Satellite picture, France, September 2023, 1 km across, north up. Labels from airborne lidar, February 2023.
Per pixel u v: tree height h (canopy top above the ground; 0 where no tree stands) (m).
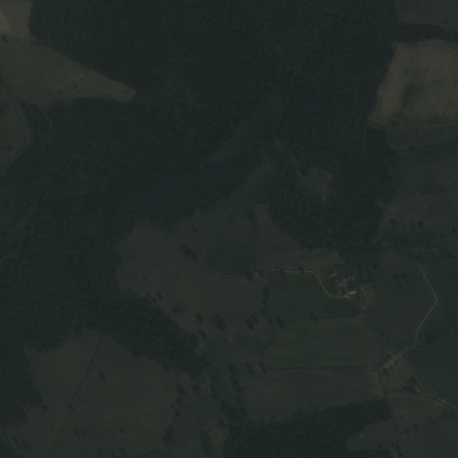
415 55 0
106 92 0
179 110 14
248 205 0
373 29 23
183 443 0
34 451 0
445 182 0
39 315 18
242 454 6
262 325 0
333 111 10
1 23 0
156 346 18
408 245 14
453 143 0
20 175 14
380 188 6
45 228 25
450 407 0
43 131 14
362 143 16
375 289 0
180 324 0
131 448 0
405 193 0
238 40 14
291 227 16
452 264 0
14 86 0
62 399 0
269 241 0
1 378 18
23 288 21
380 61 19
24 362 23
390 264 0
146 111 18
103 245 16
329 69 6
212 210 0
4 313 18
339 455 7
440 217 0
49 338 17
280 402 0
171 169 15
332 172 14
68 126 15
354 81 14
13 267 11
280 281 0
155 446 0
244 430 20
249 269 0
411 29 13
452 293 0
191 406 0
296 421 17
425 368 0
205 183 22
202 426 0
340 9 20
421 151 0
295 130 20
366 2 19
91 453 0
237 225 0
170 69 14
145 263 0
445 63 0
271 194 16
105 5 20
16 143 0
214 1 14
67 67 0
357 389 0
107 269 16
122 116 11
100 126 13
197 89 14
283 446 7
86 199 13
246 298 0
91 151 19
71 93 0
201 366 10
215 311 0
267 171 0
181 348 17
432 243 0
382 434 0
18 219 14
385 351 0
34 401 21
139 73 18
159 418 0
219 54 17
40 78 0
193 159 19
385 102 0
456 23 0
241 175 19
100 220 12
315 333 0
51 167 10
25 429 0
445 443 0
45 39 11
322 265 0
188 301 0
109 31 11
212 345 0
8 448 0
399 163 0
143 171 23
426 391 0
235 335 0
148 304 20
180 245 0
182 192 19
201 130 19
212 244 0
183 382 0
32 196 13
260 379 0
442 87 0
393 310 0
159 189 17
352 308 0
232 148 0
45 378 0
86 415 0
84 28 13
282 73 23
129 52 18
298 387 0
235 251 0
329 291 0
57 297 18
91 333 0
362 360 0
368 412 8
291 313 0
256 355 0
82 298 16
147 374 0
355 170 16
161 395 0
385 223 0
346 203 9
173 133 20
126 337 19
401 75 0
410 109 0
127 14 20
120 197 18
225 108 12
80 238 10
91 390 0
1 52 0
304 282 0
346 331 0
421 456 0
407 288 0
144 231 0
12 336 24
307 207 19
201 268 0
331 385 0
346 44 22
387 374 6
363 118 11
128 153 17
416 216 0
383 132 16
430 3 0
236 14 25
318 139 20
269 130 0
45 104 0
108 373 0
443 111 0
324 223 23
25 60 0
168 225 14
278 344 0
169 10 24
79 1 14
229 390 0
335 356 0
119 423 0
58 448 0
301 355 0
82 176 15
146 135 22
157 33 22
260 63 12
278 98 0
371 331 0
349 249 14
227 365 0
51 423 0
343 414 9
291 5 18
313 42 19
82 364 0
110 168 19
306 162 16
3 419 18
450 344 0
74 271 14
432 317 0
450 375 0
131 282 0
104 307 22
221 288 0
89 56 19
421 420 0
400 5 0
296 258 0
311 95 10
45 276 16
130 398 0
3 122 0
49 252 15
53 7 15
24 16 0
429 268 0
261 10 19
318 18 12
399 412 0
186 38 16
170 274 0
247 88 13
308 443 6
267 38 17
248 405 0
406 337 0
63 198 14
